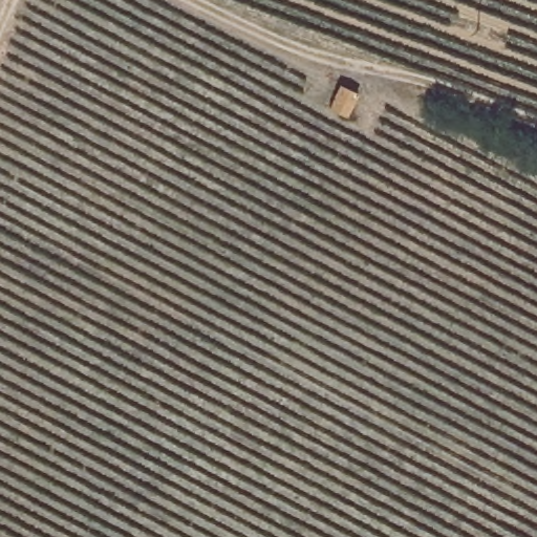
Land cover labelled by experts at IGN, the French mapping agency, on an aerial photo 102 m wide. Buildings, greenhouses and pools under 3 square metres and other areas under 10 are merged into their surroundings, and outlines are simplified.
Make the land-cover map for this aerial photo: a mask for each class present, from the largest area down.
<instances>
[{"label":"vineyard","instance_id":"1","mask_svg":"<svg viewBox=\"0 0 537 537\"><path fill-rule=\"evenodd\" d=\"M8 55L2 59L0 65V537H537V174H529L527 170H520L512 159L501 157L489 149H482L474 138L466 134L428 122L422 115V111L417 115H409L396 109L394 105H386L380 122L375 124V130L365 136L363 132L344 126L334 117H327L325 113L300 101L304 88L296 84V78H304V71L296 69L294 65H287L275 55H269L252 46L241 38L231 36L229 31L208 23L206 19L168 0H23L15 15V34L8 42ZM239 4L252 6L256 10L289 21L304 29H313L334 40L352 44L394 65L432 76L434 84L428 86L422 94L420 107L424 103L436 101H443L449 107H468V103L474 101L470 105V111L476 117L506 115L510 117V124L522 117L524 124L537 128V0H235Z\"/></svg>","mask_w":537,"mask_h":537},{"label":"pervious surface","instance_id":"2","mask_svg":"<svg viewBox=\"0 0 537 537\"><path fill-rule=\"evenodd\" d=\"M23 0H0V65L2 59L8 55V42L15 34V15ZM206 19L208 23L229 31L231 36L241 38L252 46L269 55H275L287 65H294L296 69L304 71V78H296V84L304 88L300 101L325 113L327 117H334L344 126L363 132L365 136L375 130V124L380 122L386 105H394L396 109L409 115H417L422 111L420 107L422 94L428 86L434 84L432 76L394 65L352 44L334 40L313 29H304L289 21L256 10L252 6L239 4L235 0H168ZM342 88H348L357 94V103L350 115H342L340 105L336 103L338 92Z\"/></svg>","mask_w":537,"mask_h":537},{"label":"deciduous trees","instance_id":"3","mask_svg":"<svg viewBox=\"0 0 537 537\"><path fill-rule=\"evenodd\" d=\"M474 101L468 103V107H449L443 101H436L424 103L420 107L422 111V115L428 122L466 134L474 138L482 149H489L501 157L512 159L520 170H527L529 174H537V128L524 124L522 117L510 124V117L506 115L476 117L470 111V105Z\"/></svg>","mask_w":537,"mask_h":537},{"label":"building","instance_id":"4","mask_svg":"<svg viewBox=\"0 0 537 537\"><path fill-rule=\"evenodd\" d=\"M336 103L340 105L342 115H350L357 103V94L348 88H342L338 92Z\"/></svg>","mask_w":537,"mask_h":537}]
</instances>
